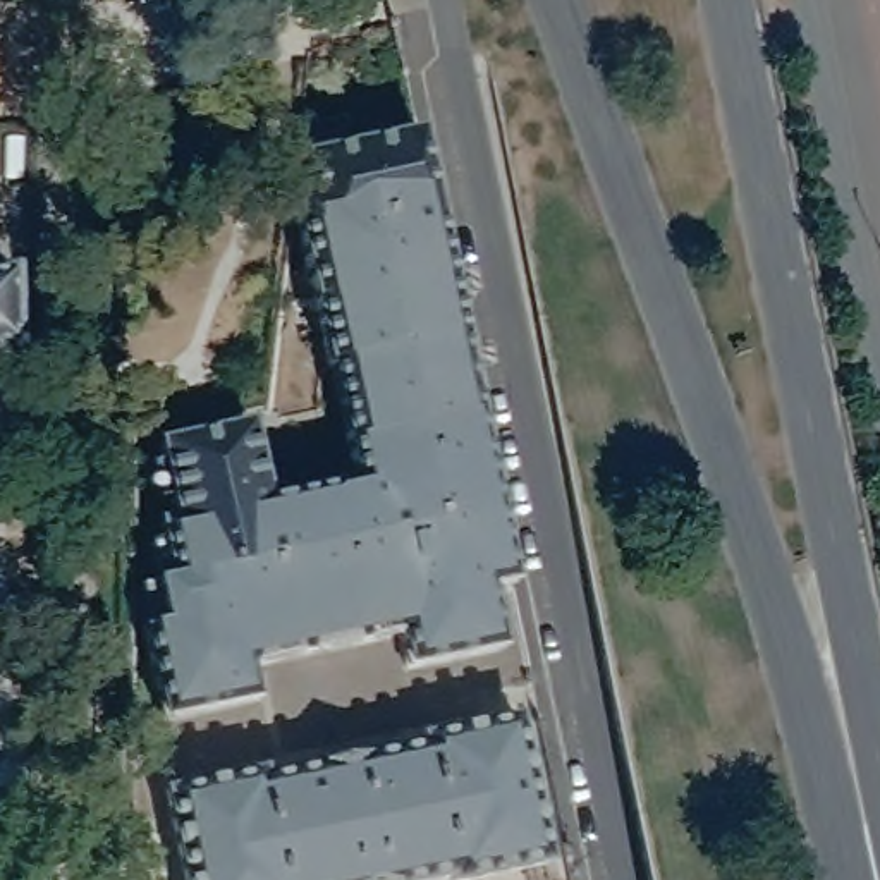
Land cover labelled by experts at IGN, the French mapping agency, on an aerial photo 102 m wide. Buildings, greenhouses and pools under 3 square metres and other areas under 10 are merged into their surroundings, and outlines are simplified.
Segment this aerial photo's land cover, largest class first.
<instances>
[{"label":"impervious surface","instance_id":"1","mask_svg":"<svg viewBox=\"0 0 880 880\"><path fill-rule=\"evenodd\" d=\"M110 28H148L144 55L155 69L141 76V86H155L158 93H165L182 89L186 83L179 72L186 41L182 0H0V83L14 96H28L38 103L41 83L52 72L48 62H62L58 45L72 41L79 48V41L86 38H107ZM385 17L392 21L395 41L402 55V83L413 117L416 124L430 127V151L437 158V172H430L437 199L423 206V213H440L457 223V241L447 254V261L454 265V320L464 351L474 361L478 409L492 447V488L498 498H505L502 550L509 560V578H502V588L509 602L512 636L502 639L505 653L474 660L468 670H423L419 681L406 674L402 663L409 657L395 653L392 639L261 667L265 694H272V701H261L258 708L251 705L227 712L220 722H210L206 729H196L193 722L182 725L172 770L175 777L196 780L213 777L217 770H244L258 760L278 756H285L289 763H296L299 756L323 760L330 753L358 746L371 749L375 743H399L402 749H409L423 725L471 722L474 715L512 718L516 725H526L543 756V763L533 767L519 780V787L547 780L540 801H550L553 815L543 818V828H557V839L543 846V859H526L519 866L485 873H437L419 880H653L633 773L626 760V749L633 746V701L622 688L612 694V681L619 674H608V667L615 663V646L612 633L605 629V598L598 595L602 567L595 560V547L588 543L591 523L581 526L574 502L571 461L564 447L560 409L553 395V375L529 268L526 227H516L509 203L488 58L485 52L471 55L468 48L461 0H388V7L378 3L375 10L351 14L344 24L303 28V21L296 17L278 34L275 62V96L289 100L292 96V55H303L313 38H344L361 21ZM533 17L550 45L553 72L567 100L571 120L581 134L584 158L602 189L605 213L612 220L636 292L643 299V320L650 330L653 354L667 368V395L677 416L688 419L691 440L684 447L694 457L698 474L701 488L715 495L718 512L729 516V543L770 670L808 825V835L825 866V880H880V571L873 564L870 533L873 509H866V492L856 478L853 419L835 385L839 364L828 333V309L818 292V254L801 227L798 151H804L801 124H808L811 117L828 141L825 182L832 186L835 203L853 230V241L846 244L839 268L846 272L856 299L866 309L870 340L863 347V358L870 364L873 385L880 388V0H701L773 358L753 375H746L739 385L729 371L718 378L694 299L688 292L691 268L670 248V220L657 210L633 131L612 107V83H602V72L588 62V31L591 21L602 17L588 7V0H529ZM801 45L815 52V79L804 93V103L794 107L791 100H784L777 69H784V62L798 55ZM241 127H227L210 113L199 117L186 103H172L175 162H182L186 168L193 162L213 165L227 148H234ZM155 217L179 227V210L162 199H148L138 210H113L100 217L79 189V182H55L45 172H24V141L21 134H0V258H24L28 251H41L52 248L58 223L76 227L79 234L124 230L127 244H138L144 223H151ZM210 251L217 254L213 278L189 347L179 354L175 368L186 385H203L206 378L213 344V316L223 292L234 282V272L244 261L261 258L272 248L248 244L244 220L220 223V230L210 234Z\"/></svg>","mask_w":880,"mask_h":880},{"label":"building","instance_id":"2","mask_svg":"<svg viewBox=\"0 0 880 880\"><path fill-rule=\"evenodd\" d=\"M316 148L330 162L333 182L330 189L313 196L309 213L303 220L285 227L289 278L296 299L306 320V344L313 351L316 375L327 364L347 375L354 426L364 430V461L371 464V474L285 488L278 481L272 457L275 426H265L254 416H248L244 409L220 416L217 423H186L165 433L158 430L141 440L144 457L158 468L155 485L179 498L162 516V536L165 543H182V567H172L144 581L148 591L162 595L155 598V608H144L134 619L138 663L151 698L158 708H165L168 722L182 725L193 722L196 729H206L210 722H220L227 712L251 705L258 708L261 701H272V694H265L261 667L392 639L395 653L409 657L402 663L406 674L419 681L423 670H468L474 660L505 653L502 639L512 636L509 602L502 588V578H509V560L502 550L505 498H498L492 488V447L478 409L474 361L464 351L454 320V265L447 261V254L457 241V223L440 213H423V206L437 199L430 172H437V158L430 151V127L416 124L413 117L399 120L395 127H368L351 138L316 141ZM28 327L24 258H0V344H7L17 330ZM543 763V756L526 725H516L512 718L474 715L471 722L423 725L409 749H402L399 743H375L371 749L358 746L330 753L323 760L299 756L296 763H289L285 756H278L258 760L244 770H217L213 777L196 780L175 777L172 770L151 777L148 787L162 839L168 856V880H419L437 873H485L519 866L526 859H543V846L557 839V828H543V818L553 815L550 801H540L547 780L519 787V780L533 767Z\"/></svg>","mask_w":880,"mask_h":880},{"label":"deciduous trees","instance_id":"3","mask_svg":"<svg viewBox=\"0 0 880 880\"><path fill-rule=\"evenodd\" d=\"M296 7V17L303 21V28L344 24L351 14L375 10L378 3L388 7V0H289ZM148 28H110L107 38H86L79 41V48L72 41L58 45L62 62H48L52 72L41 83L38 103L45 138L24 141V172H45L55 182H79V189L100 217L113 210H138L148 199H162L179 210V227L155 217L151 223H144L138 244H127L124 230L79 234L76 227L58 223L52 248L41 251L38 289L52 296L48 337H41L28 351H10L7 344H0V550L21 540L45 543L34 560H17L21 571L45 581L34 595V605H0V749L28 746L34 760L31 770L17 777L10 794L0 798V880H168V856L162 839L151 842L148 822L134 811L131 787L120 784L117 763L120 749L127 756H141L144 773L151 777L172 770L182 725L168 722L165 708H158L151 698H134L127 715L110 722H100L93 715L96 691L138 663L134 619L127 602V571L134 557L144 457L141 440L158 430L168 419V399L186 385L175 368L138 361L131 368H103L100 313L110 309L113 299L127 296V323H144L155 313L168 316L172 306L158 292V285L168 272L182 268L189 251L210 244V234L220 230V223L244 220L248 244L272 248L261 258L265 292H258L244 306L241 330L213 344L206 378L217 388H230L244 409L248 416H254L268 395L275 316L296 299L289 278L285 227L303 220L309 213L313 196L330 189L333 182L330 162L316 148V141L313 113H296L289 100L275 96V62L251 58L241 69H223L213 83H186L182 89L165 93H158L155 86H141V76L155 69L144 55ZM172 103H186L199 117L210 113L227 127H241L234 148H227L213 165L193 162L186 168L182 162H175ZM388 31H368V38H361L354 48H344L337 62L347 69L354 83L364 86L402 83V55L395 41H385ZM674 48L646 52L643 45H636L629 65L615 69L612 83V107L633 131L639 124H667L674 117L681 72L670 69ZM815 79V52L801 45L798 55L784 62V69H777L784 100H791L794 107L804 103V93ZM804 151H798L801 227L818 254V292L828 309V333L839 364L835 385L853 419L856 478L866 492V509H873L870 533L873 564L880 571V388L873 385L870 364L863 358V347L870 340L866 309L856 299L846 272L839 268L846 244L853 241V230L835 203L832 186L825 182L828 141L811 117L808 124H801ZM729 254L725 248H718L705 265L691 268L688 292L694 299L705 289L725 285ZM602 509L612 519V540L622 557V567L636 574V588L643 595L681 602L694 584L688 567L698 557V550H705L708 543H729V516L718 512L715 495L701 488L698 474H670L667 485L646 488L643 498L636 492H612L602 502ZM722 853L718 880H825V866L808 835V825H798L791 798L780 784H773L767 811L760 818H749L739 835L715 839Z\"/></svg>","mask_w":880,"mask_h":880},{"label":"herbaceous vegetation","instance_id":"4","mask_svg":"<svg viewBox=\"0 0 880 880\"><path fill-rule=\"evenodd\" d=\"M468 48L471 55L485 52L488 58L509 203L516 227H526L529 268L553 375V395L560 409L564 447L571 461L574 502L581 526L591 523L588 543L595 547V560L602 567L598 595L605 598V629L612 633L615 646V663L608 667V674H619L612 681V694L622 688L633 701V746L626 749V760L633 773L653 880H718L722 853L715 839L739 835L749 818H760L767 811L773 784H780L791 798L798 825H808L770 670L729 543H708L705 550H698V557L688 567L694 584L681 602L643 595L636 588V574L622 567V557L612 540V519L602 509V502L612 492H636L643 498L646 488L667 485L670 474H698L694 457L684 447L691 440L688 419L677 416L667 395V368L653 354L650 330L643 320V299L636 292L612 220L605 213L602 189L584 158L581 134L571 120L567 100L553 72L550 45L533 17L529 0H461ZM588 7L602 17L591 21L588 31V62L602 72V83H612L615 69L629 65L636 45H643L646 52L674 48L670 69L681 72L674 117L667 124H639L633 131L657 210L670 220V248L691 268L705 265L718 248H725L729 254L725 285L705 289L694 299L718 378L729 371L739 385L746 375H753L773 358L701 0H588ZM296 113H313L316 141L351 138L368 127H395L399 120L413 117L402 83L364 86L354 83L347 69L337 62L316 65L313 89L292 96L289 100ZM217 254L210 251V244L189 251L182 268L168 272L158 285V292L172 306L168 316L155 313L144 323H127V296L113 299L110 309L100 313L103 368H131L138 361L175 368L179 354L189 347L213 278ZM24 258L28 327L17 330L7 344L10 351H28L41 337H48L52 296L38 289L41 251H28ZM261 258L244 261L234 272V282L223 292L213 316V344L241 330L244 306L258 292H265ZM254 416L265 426H275L272 457L278 481L285 488L371 474V464L364 461V430L354 426L347 375L327 364L316 375L313 351L306 344V320L296 299L275 316L268 395ZM244 409L230 388H217L206 378L203 385H186L168 399V419L158 430L165 433L186 423H217L220 416ZM158 468L144 457L134 557L127 571V602L134 619L144 608H155V598L162 595L148 591L144 581L172 567H182V543H165L162 536V516L179 498L155 485ZM134 698H151L138 663L96 691L93 715L100 722H110L127 715ZM34 760L28 746L0 749V798L10 794L17 777L31 770ZM117 763L120 784L131 787L134 811L148 822L151 842L162 839L148 787L151 777L144 773L141 756H127L120 749Z\"/></svg>","mask_w":880,"mask_h":880},{"label":"coniferous trees","instance_id":"5","mask_svg":"<svg viewBox=\"0 0 880 880\"><path fill-rule=\"evenodd\" d=\"M186 41L179 72L186 83H213L223 69H241L251 58L275 62L278 34L296 17V7L289 0H182Z\"/></svg>","mask_w":880,"mask_h":880},{"label":"brushwood","instance_id":"6","mask_svg":"<svg viewBox=\"0 0 880 880\"><path fill-rule=\"evenodd\" d=\"M368 31H388L385 41H395L392 21L385 17L361 21L344 38H313L303 55H292V96L313 89L316 65L337 62L344 48H354L361 38H368ZM0 134H21L24 141L45 138L38 103L28 96H14L0 83ZM45 543L21 540L0 550V605H34V595L45 581L21 571L17 560H34Z\"/></svg>","mask_w":880,"mask_h":880}]
</instances>
